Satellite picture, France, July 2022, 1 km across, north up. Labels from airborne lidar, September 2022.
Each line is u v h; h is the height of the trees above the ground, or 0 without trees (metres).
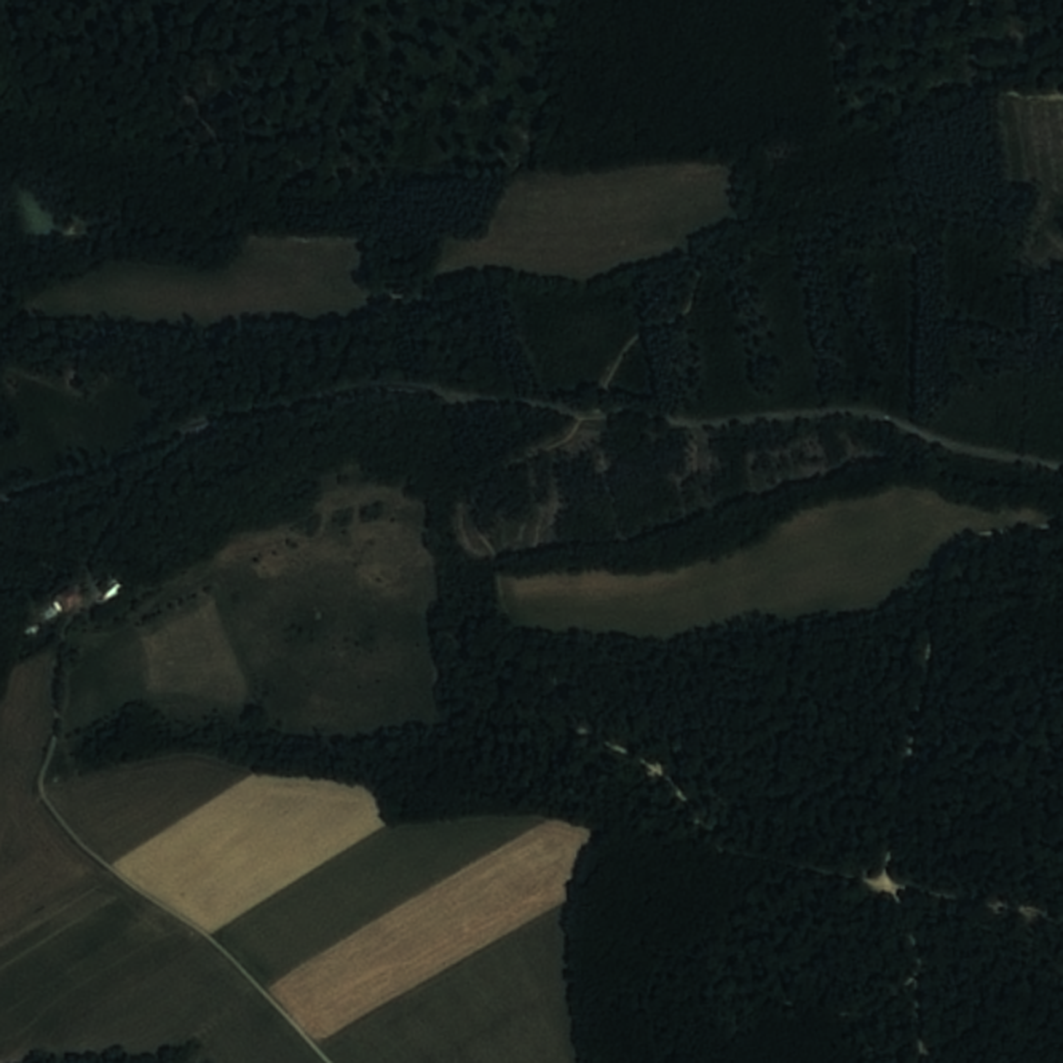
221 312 0
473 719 25
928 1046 21
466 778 16
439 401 18
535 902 0
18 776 0
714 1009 18
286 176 24
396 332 16
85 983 0
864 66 29
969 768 27
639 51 15
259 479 15
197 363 22
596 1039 19
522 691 30
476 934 0
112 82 26
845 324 7
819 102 13
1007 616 7
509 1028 0
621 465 16
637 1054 20
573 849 0
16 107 26
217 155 28
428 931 0
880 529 0
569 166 19
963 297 6
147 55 27
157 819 0
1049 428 9
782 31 14
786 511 24
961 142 29
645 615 0
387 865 0
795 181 12
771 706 21
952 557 22
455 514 18
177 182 24
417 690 0
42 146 23
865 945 24
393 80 7
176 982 0
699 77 14
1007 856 27
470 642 25
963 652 24
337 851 0
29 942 0
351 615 0
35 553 6
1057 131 0
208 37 29
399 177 10
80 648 6
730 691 22
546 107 18
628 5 17
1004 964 19
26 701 0
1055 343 16
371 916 0
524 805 19
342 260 0
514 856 0
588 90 16
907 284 7
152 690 0
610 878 19
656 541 20
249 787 0
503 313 22
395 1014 0
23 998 0
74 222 12
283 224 22
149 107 29
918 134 26
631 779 12
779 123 17
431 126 7
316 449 13
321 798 0
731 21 14
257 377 25
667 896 19
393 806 22
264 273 0
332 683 0
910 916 20
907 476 18
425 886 0
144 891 0
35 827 0
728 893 19
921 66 28
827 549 0
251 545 0
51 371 18
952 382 19
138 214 18
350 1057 0
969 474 6
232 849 0
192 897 0
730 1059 19
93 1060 17
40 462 0
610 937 23
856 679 24
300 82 31
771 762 23
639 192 0
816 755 27
